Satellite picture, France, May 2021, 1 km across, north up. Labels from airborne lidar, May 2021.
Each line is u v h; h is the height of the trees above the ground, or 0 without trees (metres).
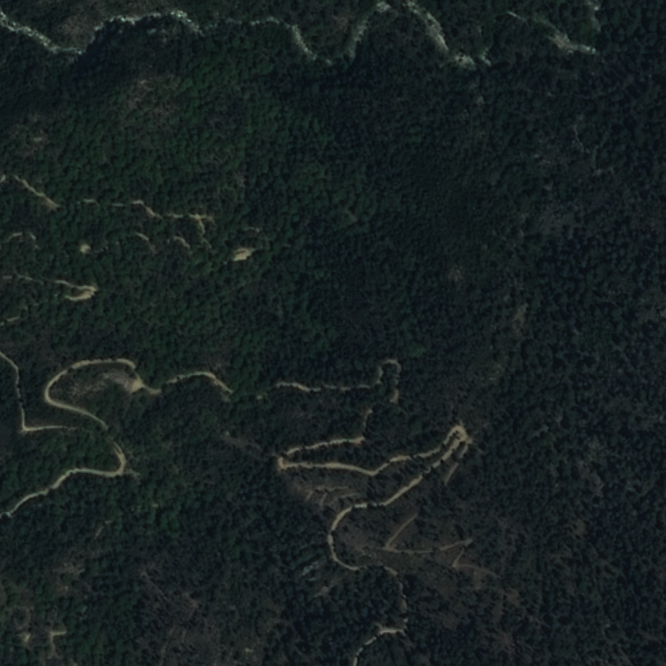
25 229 11
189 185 19
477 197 15
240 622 10
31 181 13
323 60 7
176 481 23
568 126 14
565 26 25
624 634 36
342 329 11
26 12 9
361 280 9
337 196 23
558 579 28
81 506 11
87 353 14
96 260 16
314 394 6
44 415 6
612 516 21
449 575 11
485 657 30
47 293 11
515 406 27
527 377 34
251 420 10
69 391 6
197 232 16
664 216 7
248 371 20
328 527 26
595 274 25
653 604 33
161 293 12
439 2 11
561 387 31
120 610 18
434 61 21
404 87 14
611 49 34
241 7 10
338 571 20
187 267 16
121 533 12
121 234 16
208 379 15
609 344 10
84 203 9
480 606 14
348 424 29
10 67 12
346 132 25
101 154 19
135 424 21
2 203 16
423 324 21
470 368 19
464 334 17
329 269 14
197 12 14
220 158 21
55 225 17
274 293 13
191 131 19
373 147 16
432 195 13
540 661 23
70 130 17
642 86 21
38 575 14
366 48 28
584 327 27
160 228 15
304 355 26
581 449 20
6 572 13
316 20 6
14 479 20
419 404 21
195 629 25
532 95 15
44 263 18
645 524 25
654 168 21
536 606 17
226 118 22
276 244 22
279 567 29
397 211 17
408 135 11
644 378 23
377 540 7
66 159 18
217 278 16
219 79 15
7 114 13
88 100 9
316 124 16
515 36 31
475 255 11
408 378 22
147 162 11
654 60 39
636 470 20
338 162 25
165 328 12
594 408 22
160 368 16
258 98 17
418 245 9
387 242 27
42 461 17
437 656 28
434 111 6
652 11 37
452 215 10
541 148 8
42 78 11
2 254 8
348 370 6
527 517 21
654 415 11
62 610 15
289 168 9
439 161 20
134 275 13
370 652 12
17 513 7
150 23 7
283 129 11
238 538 10
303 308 22
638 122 34
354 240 22
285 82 20
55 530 8
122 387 9
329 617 8
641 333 21
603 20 30
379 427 22
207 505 31
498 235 14
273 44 8
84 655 10
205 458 8
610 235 23
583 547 25
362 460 29
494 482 28
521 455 28
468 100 14
